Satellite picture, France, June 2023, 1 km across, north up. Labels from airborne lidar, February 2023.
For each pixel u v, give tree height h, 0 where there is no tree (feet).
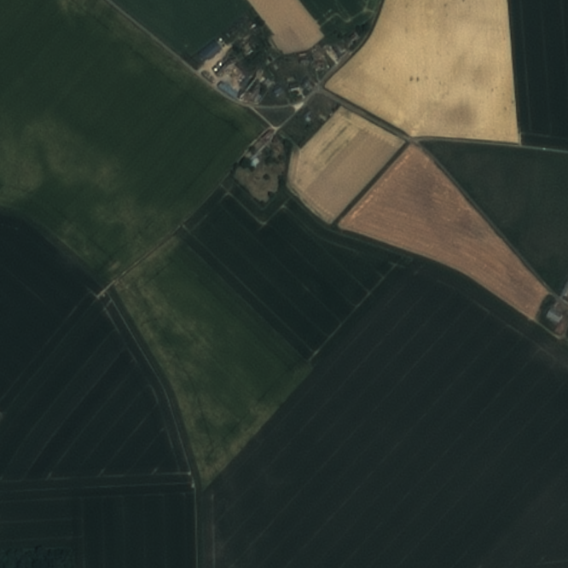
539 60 0
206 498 0
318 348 0
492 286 0
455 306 0
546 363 0
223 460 0
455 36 0
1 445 0
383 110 0
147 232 0
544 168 0
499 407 0
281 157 20
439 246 0
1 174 0
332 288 0
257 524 0
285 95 0
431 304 0
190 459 0
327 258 0
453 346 0
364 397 0
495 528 0
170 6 0
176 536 0
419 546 0
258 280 0
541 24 0
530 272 0
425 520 0
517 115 0
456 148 0
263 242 0
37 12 0
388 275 0
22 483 0
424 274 0
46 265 0
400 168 0
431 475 0
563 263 0
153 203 0
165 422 0
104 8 0
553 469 0
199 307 0
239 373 0
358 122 0
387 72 0
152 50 0
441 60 0
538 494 0
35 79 0
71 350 0
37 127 0
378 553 0
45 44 0
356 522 0
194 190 0
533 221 0
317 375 0
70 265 0
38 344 0
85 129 0
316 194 0
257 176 0
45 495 0
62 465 0
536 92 0
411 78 0
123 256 0
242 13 0
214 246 0
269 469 0
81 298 0
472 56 0
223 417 0
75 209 0
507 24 0
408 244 0
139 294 0
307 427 0
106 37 0
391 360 0
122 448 0
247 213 0
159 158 0
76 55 0
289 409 0
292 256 0
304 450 0
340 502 0
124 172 0
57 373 0
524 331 0
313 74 0
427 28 0
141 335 0
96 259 0
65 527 0
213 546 0
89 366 0
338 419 0
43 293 0
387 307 0
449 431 0
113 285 0
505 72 0
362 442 0
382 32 0
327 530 0
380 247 0
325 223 0
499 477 0
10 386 0
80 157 0
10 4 0
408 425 0
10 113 0
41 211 0
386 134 0
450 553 0
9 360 0
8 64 0
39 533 0
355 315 0
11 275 0
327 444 0
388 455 0
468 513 0
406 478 0
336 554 0
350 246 0
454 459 0
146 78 0
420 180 0
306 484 0
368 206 0
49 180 0
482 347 0
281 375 0
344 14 0
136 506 0
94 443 0
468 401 0
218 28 0
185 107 0
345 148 0
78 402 0
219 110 0
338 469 0
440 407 0
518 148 0
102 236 0
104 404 0
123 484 0
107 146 0
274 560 0
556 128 0
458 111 0
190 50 0
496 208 0
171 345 0
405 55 0
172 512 0
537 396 0
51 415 0
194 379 0
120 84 0
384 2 0
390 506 0
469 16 0
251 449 0
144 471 0
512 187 0
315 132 0
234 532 0
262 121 0
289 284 0
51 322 0
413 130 0
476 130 0
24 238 0
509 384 0
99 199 0
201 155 0
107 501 0
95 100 0
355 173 0
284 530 0
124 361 0
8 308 0
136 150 0
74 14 0
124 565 0
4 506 0
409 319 0
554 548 0
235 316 0
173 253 0
